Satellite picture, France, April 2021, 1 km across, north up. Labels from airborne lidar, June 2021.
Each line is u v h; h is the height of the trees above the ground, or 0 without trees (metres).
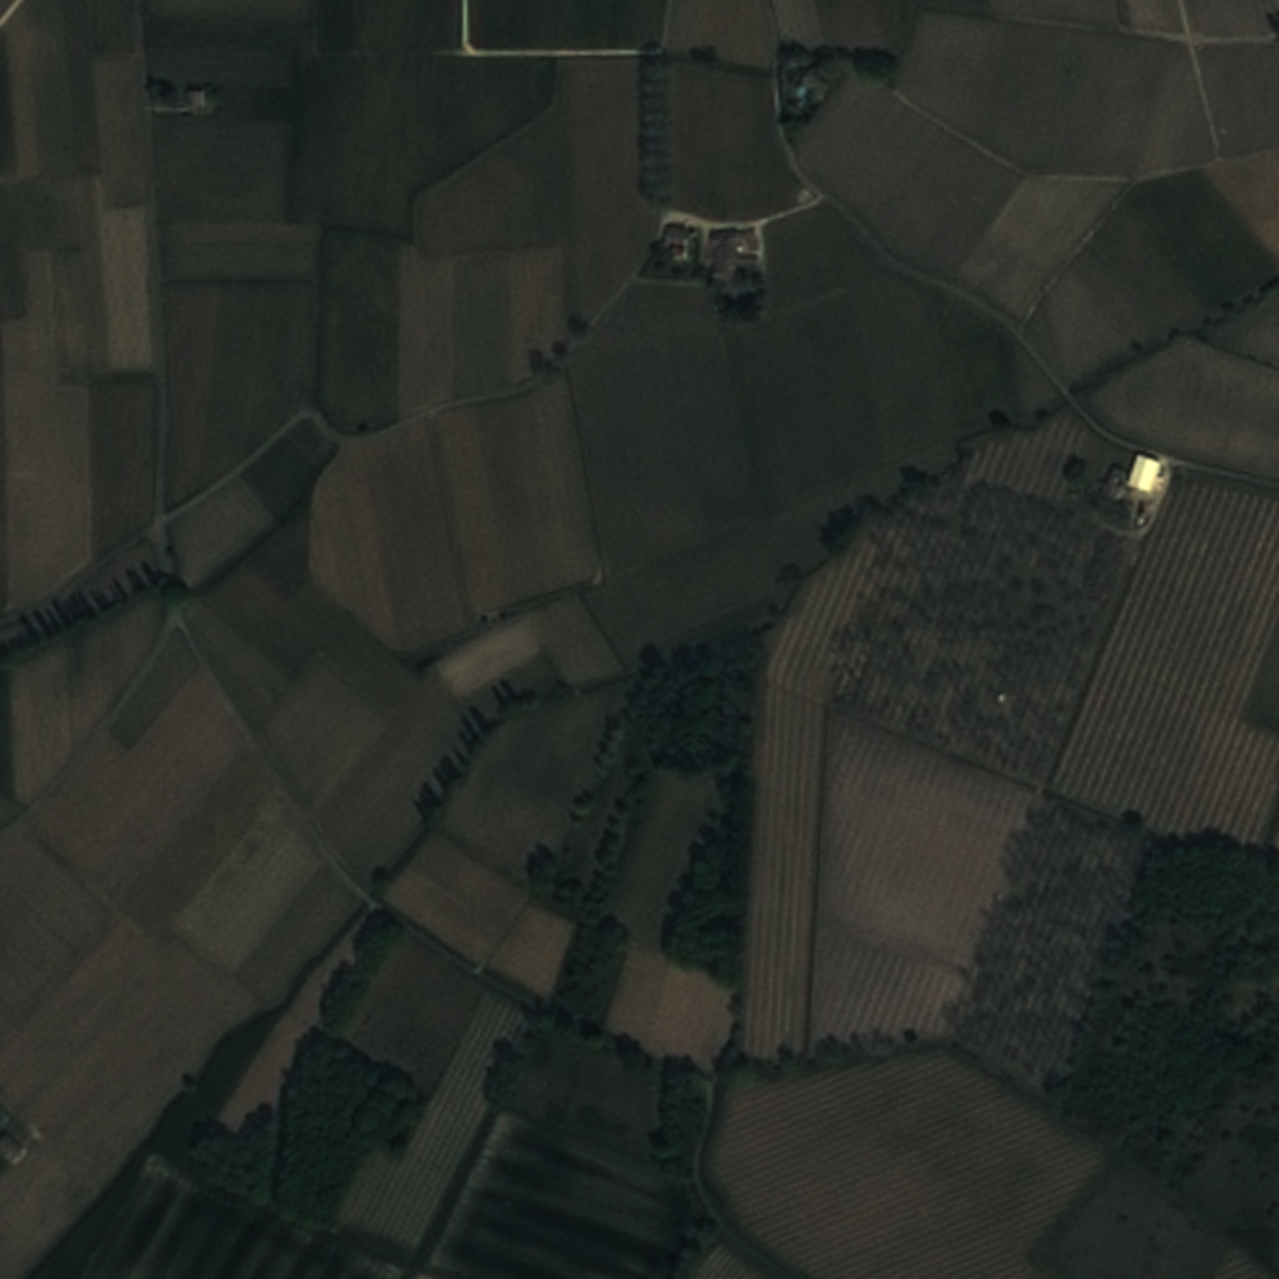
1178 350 0
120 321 0
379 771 0
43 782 0
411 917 0
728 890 20
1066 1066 13
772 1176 0
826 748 0
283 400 0
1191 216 0
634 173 0
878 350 0
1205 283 0
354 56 0
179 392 0
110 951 0
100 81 0
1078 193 0
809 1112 0
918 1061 0
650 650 0
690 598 0
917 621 15
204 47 0
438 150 0
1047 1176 0
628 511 0
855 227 0
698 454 0
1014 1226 0
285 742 0
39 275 0
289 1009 0
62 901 0
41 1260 0
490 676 0
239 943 0
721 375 0
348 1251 0
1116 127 0
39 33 0
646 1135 0
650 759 15
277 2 0
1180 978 8
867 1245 0
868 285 0
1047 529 13
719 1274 0
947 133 0
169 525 0
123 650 0
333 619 0
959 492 11
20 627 0
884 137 0
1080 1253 0
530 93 0
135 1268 0
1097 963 14
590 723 0
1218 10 0
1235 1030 7
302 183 0
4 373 0
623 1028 0
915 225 0
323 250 0
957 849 0
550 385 18
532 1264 0
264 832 0
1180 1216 0
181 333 0
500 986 0
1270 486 0
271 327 0
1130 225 0
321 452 0
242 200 0
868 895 0
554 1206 0
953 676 16
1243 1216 0
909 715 15
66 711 0
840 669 9
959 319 0
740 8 0
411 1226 0
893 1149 0
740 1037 8
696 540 0
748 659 16
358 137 0
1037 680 14
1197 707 6
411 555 0
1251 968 15
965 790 0
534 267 0
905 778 0
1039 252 0
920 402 0
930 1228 0
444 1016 0
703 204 0
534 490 0
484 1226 0
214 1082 0
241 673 0
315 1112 25
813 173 0
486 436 0
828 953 0
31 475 0
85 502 0
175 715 0
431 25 0
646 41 0
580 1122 0
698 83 0
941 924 0
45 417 0
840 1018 0
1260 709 0
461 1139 0
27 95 0
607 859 12
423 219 0
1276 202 0
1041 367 0
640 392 0
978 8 0
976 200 0
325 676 0
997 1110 0
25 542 0
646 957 0
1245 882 15
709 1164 0
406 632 0
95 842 0
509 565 0
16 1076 0
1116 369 0
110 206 0
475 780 0
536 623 0
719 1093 0
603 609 0
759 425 0
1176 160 0
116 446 0
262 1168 22
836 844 0
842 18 0
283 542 0
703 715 27
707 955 20
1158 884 13
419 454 0
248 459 0
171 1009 0
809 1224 0
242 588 0
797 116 9
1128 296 0
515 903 0
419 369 0
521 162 0
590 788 0
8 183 0
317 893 0
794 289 0
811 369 0
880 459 0
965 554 13
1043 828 15
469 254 0
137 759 0
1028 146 0
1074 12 0
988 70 0
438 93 0
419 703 0
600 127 0
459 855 0
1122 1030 7
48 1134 0
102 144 0
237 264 0
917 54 0
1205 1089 14
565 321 0
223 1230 0
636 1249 0
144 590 24
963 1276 0
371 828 0
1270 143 0
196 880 0
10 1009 0
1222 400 0
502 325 0
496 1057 0
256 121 0
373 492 0
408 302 0
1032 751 16
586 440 0
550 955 0
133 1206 0
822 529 0
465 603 0
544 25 0
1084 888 15
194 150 0
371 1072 21
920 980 0
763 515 0
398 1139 14
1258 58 0
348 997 18
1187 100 0
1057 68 0
